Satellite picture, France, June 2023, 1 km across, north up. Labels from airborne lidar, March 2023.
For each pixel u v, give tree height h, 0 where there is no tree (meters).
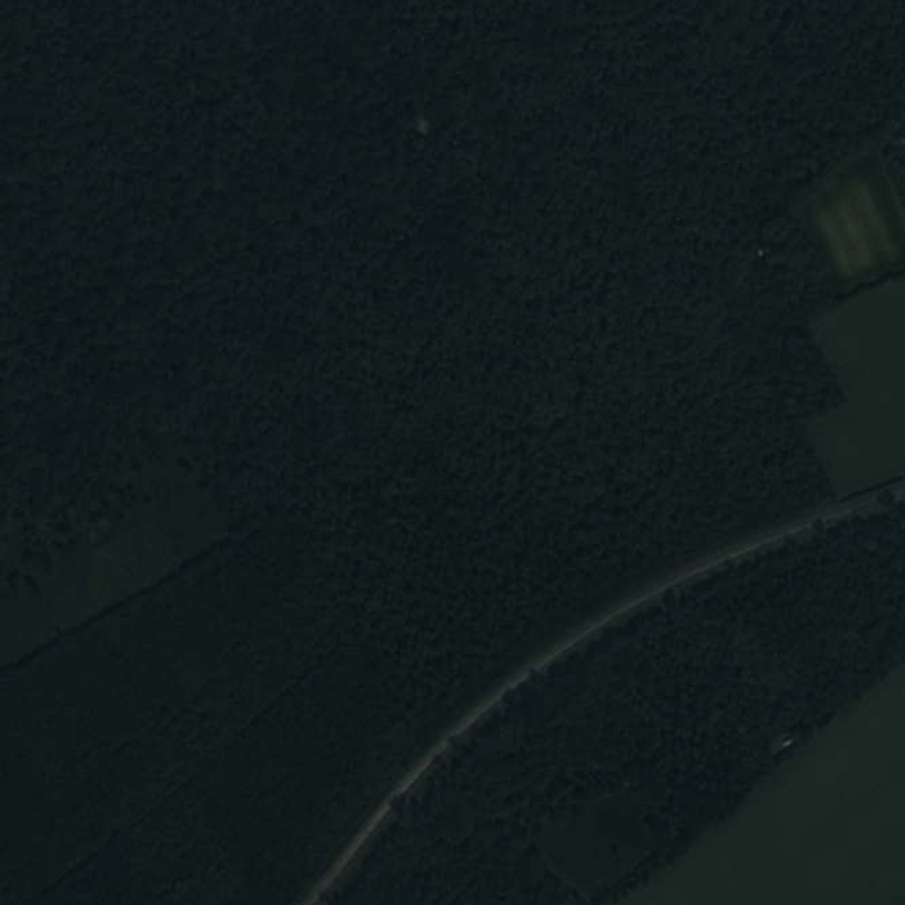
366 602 14
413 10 18
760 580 14
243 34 30
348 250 22
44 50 25
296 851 15
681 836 22
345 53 25
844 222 0
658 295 20
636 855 0
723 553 0
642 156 21
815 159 12
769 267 17
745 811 0
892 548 21
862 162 0
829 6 18
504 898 22
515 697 22
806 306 18
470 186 22
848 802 0
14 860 15
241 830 16
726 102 20
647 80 20
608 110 21
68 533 30
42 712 13
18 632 0
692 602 15
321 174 22
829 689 17
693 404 20
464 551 12
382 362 16
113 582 0
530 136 22
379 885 20
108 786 17
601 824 0
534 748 20
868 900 0
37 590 25
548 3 23
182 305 26
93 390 25
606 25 20
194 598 12
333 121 27
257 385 17
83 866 17
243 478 28
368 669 20
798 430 10
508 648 9
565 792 20
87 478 27
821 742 0
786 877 0
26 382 25
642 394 18
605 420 20
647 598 0
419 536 9
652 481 16
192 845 18
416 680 18
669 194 19
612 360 20
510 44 16
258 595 13
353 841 0
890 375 0
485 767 21
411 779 0
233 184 23
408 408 21
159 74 21
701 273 17
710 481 14
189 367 27
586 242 25
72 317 22
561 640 0
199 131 18
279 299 24
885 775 0
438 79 24
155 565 0
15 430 25
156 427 23
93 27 20
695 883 0
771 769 8
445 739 0
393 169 23
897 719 0
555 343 21
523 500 7
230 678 15
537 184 21
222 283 27
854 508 0
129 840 15
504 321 20
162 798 14
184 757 14
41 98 20
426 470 18
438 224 23
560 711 19
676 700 19
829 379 17
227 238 26
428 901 18
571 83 16
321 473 17
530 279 19
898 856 0
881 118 17
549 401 23
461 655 7
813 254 13
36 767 16
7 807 20
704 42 25
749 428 17
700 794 21
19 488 26
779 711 18
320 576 17
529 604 15
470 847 21
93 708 13
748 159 19
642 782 22
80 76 26
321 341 10
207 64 28
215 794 16
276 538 13
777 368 19
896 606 12
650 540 18
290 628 15
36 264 19
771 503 9
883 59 19
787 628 16
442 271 20
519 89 21
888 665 13
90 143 21
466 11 21
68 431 22
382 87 23
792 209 12
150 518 0
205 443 19
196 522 0
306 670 17
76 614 0
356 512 18
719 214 16
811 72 16
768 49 17
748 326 16
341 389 20
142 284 27
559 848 0
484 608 10
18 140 23
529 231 21
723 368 22
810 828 0
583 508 19
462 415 24
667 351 16
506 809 14
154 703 11
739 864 0
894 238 0
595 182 22
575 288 22
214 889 14
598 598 8
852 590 17
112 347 22
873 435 0
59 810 14
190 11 21
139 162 21
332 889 0
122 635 9
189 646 12
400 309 18
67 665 12
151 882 15
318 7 20
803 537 0
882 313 0
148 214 19
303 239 20
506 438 22
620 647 22
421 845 16
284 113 22
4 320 17
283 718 19
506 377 20
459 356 22
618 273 18
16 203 25
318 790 17
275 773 17
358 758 17
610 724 21
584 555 19
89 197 25
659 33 22
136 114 24
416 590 14
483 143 23
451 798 16
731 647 16
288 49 25
